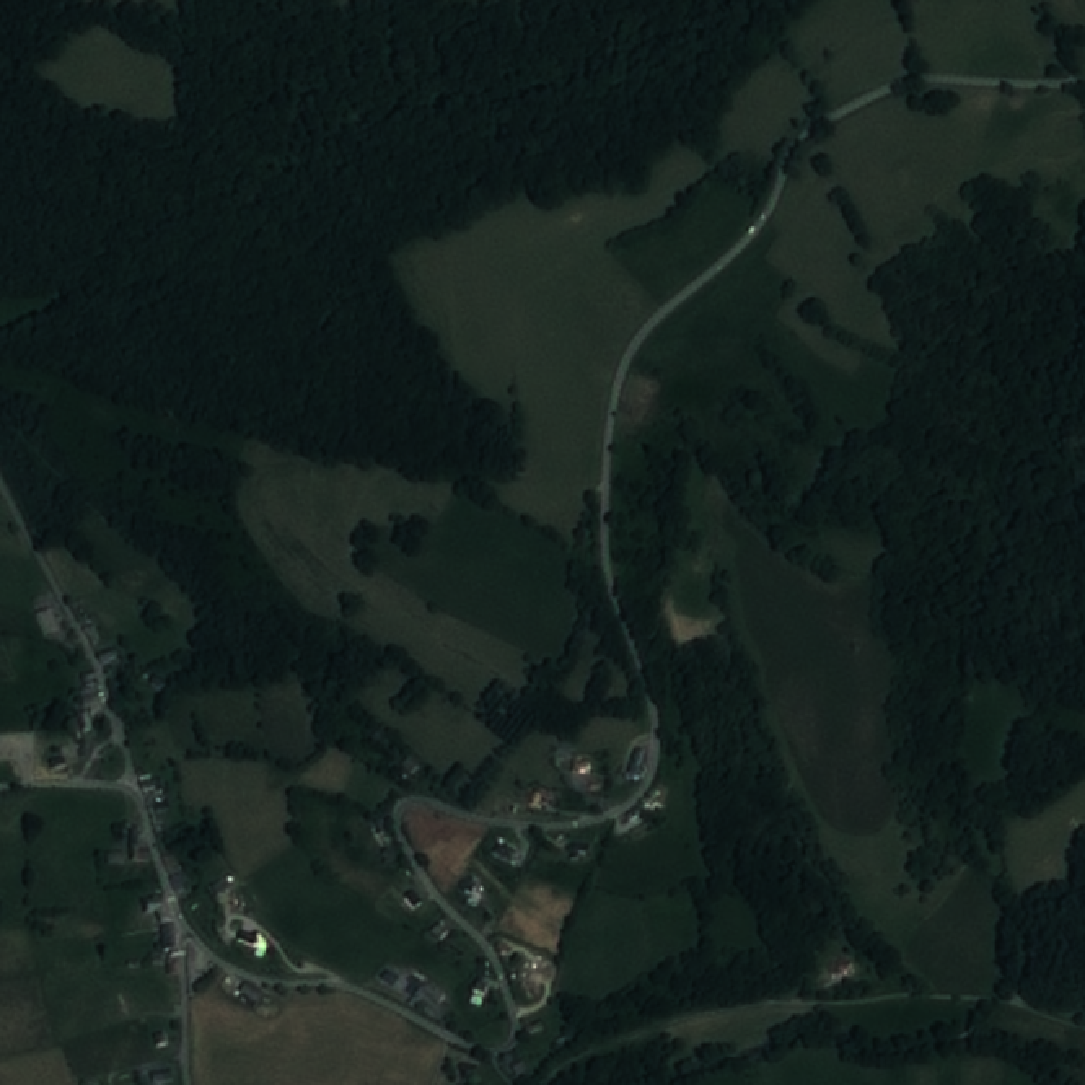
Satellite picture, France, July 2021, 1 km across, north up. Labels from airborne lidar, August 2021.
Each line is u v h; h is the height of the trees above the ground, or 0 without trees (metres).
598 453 0
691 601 0
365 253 28
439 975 0
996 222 30
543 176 26
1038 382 27
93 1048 0
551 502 0
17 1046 0
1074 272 31
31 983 0
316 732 13
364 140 23
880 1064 23
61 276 26
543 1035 0
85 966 0
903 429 20
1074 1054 11
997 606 30
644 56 30
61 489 12
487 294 0
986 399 33
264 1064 0
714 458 19
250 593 6
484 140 23
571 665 12
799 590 0
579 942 0
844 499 27
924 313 29
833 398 0
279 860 0
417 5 33
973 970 0
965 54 0
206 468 19
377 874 0
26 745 0
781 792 25
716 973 23
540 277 0
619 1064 18
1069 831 0
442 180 26
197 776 0
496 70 28
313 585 0
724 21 24
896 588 30
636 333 0
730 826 27
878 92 0
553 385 0
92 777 0
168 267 18
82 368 24
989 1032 9
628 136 28
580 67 22
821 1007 7
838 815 0
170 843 9
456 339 0
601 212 0
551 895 0
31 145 25
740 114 0
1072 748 19
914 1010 0
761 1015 0
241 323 25
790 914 22
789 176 14
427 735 0
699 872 0
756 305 0
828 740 0
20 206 19
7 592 0
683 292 0
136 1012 0
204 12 25
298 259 26
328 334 28
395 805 7
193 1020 0
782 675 0
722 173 13
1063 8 0
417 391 28
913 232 0
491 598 0
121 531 10
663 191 0
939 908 0
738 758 21
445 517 0
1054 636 21
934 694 14
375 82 32
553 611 0
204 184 26
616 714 17
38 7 23
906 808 13
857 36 0
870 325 0
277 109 26
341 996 0
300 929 0
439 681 9
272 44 32
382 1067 0
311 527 0
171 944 0
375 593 0
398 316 27
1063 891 24
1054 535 18
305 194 19
